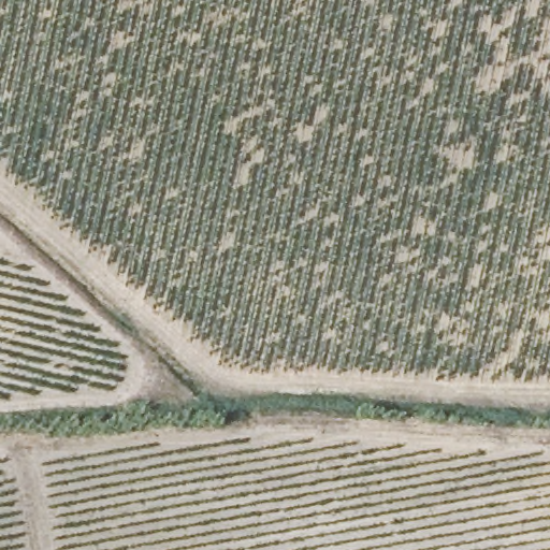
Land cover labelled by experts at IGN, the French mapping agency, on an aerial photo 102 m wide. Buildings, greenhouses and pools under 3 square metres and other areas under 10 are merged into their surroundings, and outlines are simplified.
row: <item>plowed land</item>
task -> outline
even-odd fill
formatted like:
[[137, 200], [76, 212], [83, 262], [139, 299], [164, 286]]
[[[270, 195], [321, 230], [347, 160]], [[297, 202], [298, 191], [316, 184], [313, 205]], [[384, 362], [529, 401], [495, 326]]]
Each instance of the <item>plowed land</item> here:
[[21, 230], [26, 230], [69, 273], [73, 273], [84, 284], [95, 286], [95, 294], [99, 301], [103, 301], [112, 309], [129, 314], [135, 327], [150, 329], [159, 337], [159, 344], [165, 344], [172, 350], [172, 354], [185, 365], [185, 370], [193, 372], [193, 380], [200, 382], [208, 382], [211, 387], [228, 370], [226, 365], [219, 365], [219, 354], [211, 354], [211, 342], [191, 342], [193, 324], [189, 320], [174, 320], [174, 312], [165, 307], [153, 309], [153, 299], [146, 296], [146, 290], [142, 286], [127, 286], [127, 273], [118, 275], [118, 264], [107, 264], [110, 258], [101, 256], [97, 249], [88, 251], [90, 243], [79, 238], [77, 230], [60, 230], [60, 219], [52, 217], [52, 211], [43, 211], [43, 198], [37, 196], [37, 187], [24, 187], [21, 183], [15, 183], [15, 174], [11, 174], [9, 168], [11, 161], [0, 159], [0, 211], [9, 215]]
[[64, 393], [45, 387], [41, 395], [13, 393], [11, 400], [0, 400], [0, 413], [116, 406], [138, 397], [142, 387], [148, 385], [146, 359], [140, 354], [138, 359], [131, 359], [127, 363], [125, 380], [116, 391], [101, 391], [79, 385], [75, 393]]

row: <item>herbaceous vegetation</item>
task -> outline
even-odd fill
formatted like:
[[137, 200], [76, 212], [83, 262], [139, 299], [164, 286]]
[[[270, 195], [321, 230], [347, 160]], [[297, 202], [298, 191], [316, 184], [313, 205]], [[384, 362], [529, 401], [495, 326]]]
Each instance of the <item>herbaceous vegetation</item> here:
[[165, 344], [159, 344], [159, 337], [150, 329], [135, 327], [129, 314], [112, 309], [103, 301], [99, 301], [95, 294], [95, 286], [84, 284], [73, 273], [69, 273], [26, 230], [21, 230], [9, 215], [0, 211], [0, 226], [6, 232], [11, 232], [21, 245], [26, 245], [32, 256], [37, 256], [47, 269], [52, 269], [60, 279], [64, 279], [77, 294], [82, 294], [105, 320], [110, 320], [116, 329], [131, 337], [140, 354], [146, 359], [148, 385], [142, 387], [138, 397], [148, 397], [150, 413], [159, 413], [161, 404], [189, 402], [191, 395], [200, 395], [202, 389], [200, 382], [193, 380], [193, 372], [185, 370], [185, 365], [172, 354], [172, 350]]

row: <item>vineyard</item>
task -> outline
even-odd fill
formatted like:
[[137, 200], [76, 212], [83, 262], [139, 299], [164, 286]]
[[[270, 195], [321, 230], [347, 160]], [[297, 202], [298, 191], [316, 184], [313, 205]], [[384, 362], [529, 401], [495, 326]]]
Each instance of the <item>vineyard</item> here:
[[0, 159], [11, 161], [9, 168], [11, 174], [15, 174], [15, 183], [21, 183], [24, 187], [37, 187], [37, 196], [43, 198], [43, 211], [52, 211], [52, 217], [60, 219], [60, 230], [77, 230], [79, 238], [90, 243], [88, 251], [97, 249], [101, 256], [110, 258], [107, 264], [118, 264], [118, 275], [127, 273], [127, 286], [142, 286], [146, 290], [146, 296], [153, 299], [153, 309], [165, 307], [174, 312], [174, 320], [189, 320], [193, 324], [191, 342], [211, 342], [211, 354], [219, 354], [219, 365], [226, 365], [228, 370], [211, 387], [208, 382], [200, 382], [202, 389], [215, 395], [230, 397], [243, 393], [361, 393], [393, 402], [458, 402], [468, 406], [518, 406], [531, 410], [550, 408], [550, 0], [0, 0]]
[[37, 432], [0, 434], [0, 550], [550, 550], [550, 428], [501, 428], [486, 423], [455, 423], [453, 419], [449, 419], [447, 423], [430, 423], [419, 417], [410, 417], [406, 421], [378, 421], [333, 417], [320, 413], [251, 415], [249, 408], [236, 408], [226, 413], [223, 419], [228, 428], [223, 430], [148, 428], [142, 432], [127, 434], [95, 434], [71, 438], [47, 436]]
[[21, 271], [30, 271], [28, 264], [0, 258], [0, 400], [11, 400], [13, 393], [41, 395], [45, 387], [64, 393], [75, 393], [79, 385], [101, 391], [116, 391], [125, 380], [127, 363], [127, 354], [120, 352], [118, 342], [101, 337], [99, 327], [86, 320], [82, 309], [67, 305], [64, 294], [19, 286], [19, 281], [47, 286], [49, 281], [41, 277], [26, 277], [21, 275]]

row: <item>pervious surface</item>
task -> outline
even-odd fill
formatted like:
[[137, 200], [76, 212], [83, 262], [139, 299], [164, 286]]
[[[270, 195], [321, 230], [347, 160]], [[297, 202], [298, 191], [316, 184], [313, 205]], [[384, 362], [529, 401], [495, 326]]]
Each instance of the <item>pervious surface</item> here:
[[32, 256], [26, 245], [21, 245], [11, 232], [6, 232], [0, 226], [0, 258], [28, 264], [30, 271], [21, 271], [21, 275], [26, 277], [41, 277], [49, 281], [47, 286], [19, 281], [19, 286], [64, 294], [67, 305], [82, 309], [86, 320], [99, 327], [101, 337], [118, 342], [120, 352], [127, 354], [127, 363], [131, 359], [138, 359], [140, 354], [131, 337], [116, 329], [110, 320], [105, 320], [82, 294], [77, 294], [64, 279], [60, 279], [52, 269], [47, 269], [37, 256]]

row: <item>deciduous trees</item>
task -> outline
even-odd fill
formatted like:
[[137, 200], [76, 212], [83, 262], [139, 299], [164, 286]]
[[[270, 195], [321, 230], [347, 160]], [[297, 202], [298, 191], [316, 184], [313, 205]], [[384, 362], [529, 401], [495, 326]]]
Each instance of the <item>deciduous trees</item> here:
[[37, 432], [47, 436], [71, 438], [95, 434], [127, 434], [142, 432], [148, 428], [223, 430], [228, 428], [223, 419], [226, 413], [236, 408], [249, 408], [251, 415], [320, 413], [333, 417], [378, 421], [406, 421], [410, 417], [419, 417], [430, 423], [447, 423], [449, 419], [453, 419], [455, 423], [486, 423], [501, 428], [550, 428], [550, 408], [531, 410], [518, 406], [468, 406], [458, 402], [393, 402], [361, 393], [243, 393], [230, 397], [215, 395], [202, 389], [200, 395], [191, 395], [189, 402], [161, 404], [159, 413], [150, 413], [148, 397], [138, 397], [116, 406], [0, 413], [0, 434]]

